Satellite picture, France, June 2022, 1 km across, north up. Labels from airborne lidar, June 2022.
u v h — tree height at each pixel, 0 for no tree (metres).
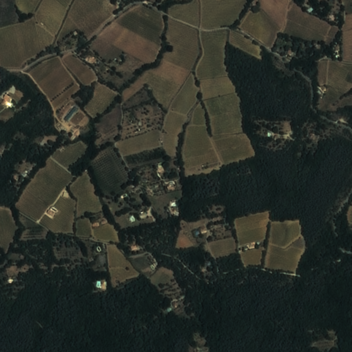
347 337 14
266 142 15
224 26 6
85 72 0
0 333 9
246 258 0
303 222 10
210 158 0
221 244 0
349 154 12
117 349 11
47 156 12
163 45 11
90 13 0
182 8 0
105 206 12
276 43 8
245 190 10
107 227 0
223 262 15
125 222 0
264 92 10
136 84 0
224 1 0
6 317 15
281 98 13
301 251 0
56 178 0
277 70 9
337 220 11
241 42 0
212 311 15
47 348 15
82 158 10
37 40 0
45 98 10
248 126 12
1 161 10
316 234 13
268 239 8
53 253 11
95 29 0
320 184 13
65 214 0
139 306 17
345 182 12
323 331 9
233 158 0
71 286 8
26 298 6
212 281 11
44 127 7
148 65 10
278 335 17
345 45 0
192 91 0
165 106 0
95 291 8
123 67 0
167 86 0
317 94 12
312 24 0
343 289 14
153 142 0
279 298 16
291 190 13
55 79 0
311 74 18
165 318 14
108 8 0
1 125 10
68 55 0
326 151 9
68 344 10
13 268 0
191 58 0
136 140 0
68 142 11
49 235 14
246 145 0
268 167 13
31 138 9
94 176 13
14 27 0
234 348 14
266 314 12
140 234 11
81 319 16
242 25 0
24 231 7
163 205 0
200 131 0
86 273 12
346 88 0
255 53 0
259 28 0
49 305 13
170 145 0
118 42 0
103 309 16
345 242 8
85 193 0
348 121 6
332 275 12
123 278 0
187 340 16
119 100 15
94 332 16
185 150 0
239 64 10
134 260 0
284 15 0
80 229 0
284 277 9
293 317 14
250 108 12
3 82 11
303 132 9
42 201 0
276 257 0
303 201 12
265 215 0
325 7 9
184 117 0
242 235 0
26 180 15
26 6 0
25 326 14
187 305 8
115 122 0
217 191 15
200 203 11
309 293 15
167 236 9
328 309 8
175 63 0
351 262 10
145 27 0
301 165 13
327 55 9
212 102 0
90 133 9
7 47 0
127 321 18
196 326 14
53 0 0
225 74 0
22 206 0
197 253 15
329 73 0
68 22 0
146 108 7
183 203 15
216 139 0
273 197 12
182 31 0
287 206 14
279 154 14
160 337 14
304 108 9
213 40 0
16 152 13
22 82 11
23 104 12
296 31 0
